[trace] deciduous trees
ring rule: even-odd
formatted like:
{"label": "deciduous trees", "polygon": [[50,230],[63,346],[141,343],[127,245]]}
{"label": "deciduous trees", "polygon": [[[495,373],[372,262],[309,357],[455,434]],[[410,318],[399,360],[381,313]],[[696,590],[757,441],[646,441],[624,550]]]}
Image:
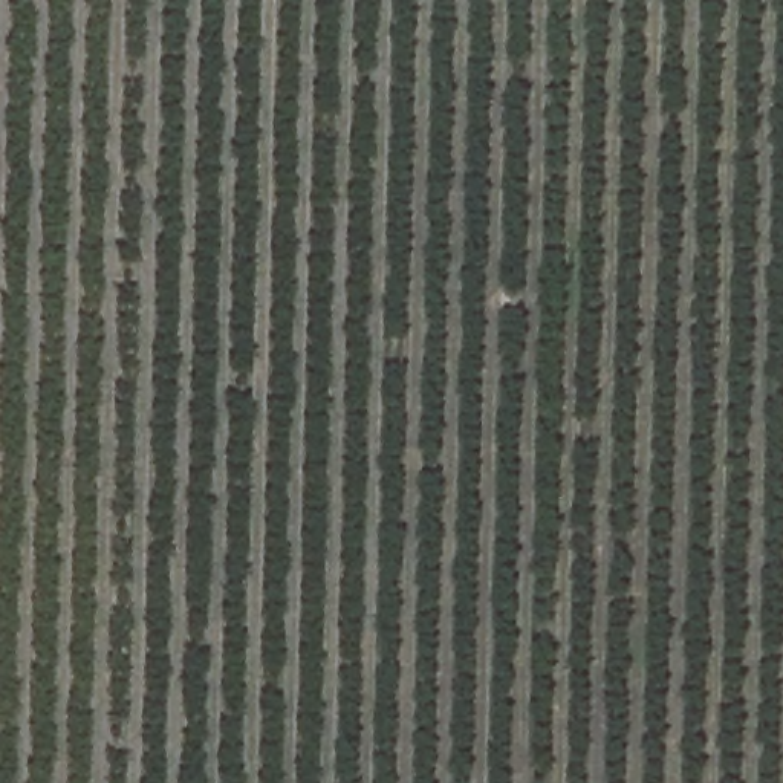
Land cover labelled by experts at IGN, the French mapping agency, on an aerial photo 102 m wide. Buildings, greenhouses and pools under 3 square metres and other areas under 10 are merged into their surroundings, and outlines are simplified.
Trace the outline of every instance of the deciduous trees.
{"label": "deciduous trees", "polygon": [[783,0],[0,0],[0,783],[783,783]]}

